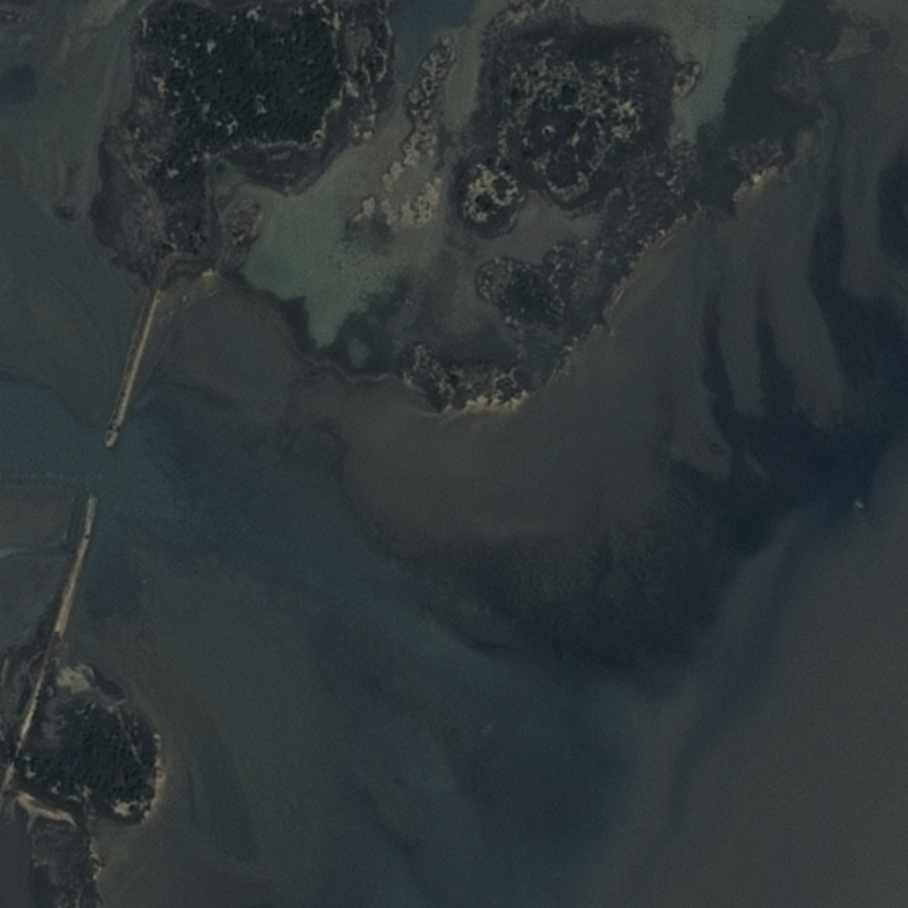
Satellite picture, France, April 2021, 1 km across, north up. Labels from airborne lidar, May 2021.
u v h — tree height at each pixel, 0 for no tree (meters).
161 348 0
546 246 0
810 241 0
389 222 0
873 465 0
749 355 0
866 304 0
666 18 0
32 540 0
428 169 0
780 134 0
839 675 0
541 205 0
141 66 0
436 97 0
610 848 0
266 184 0
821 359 0
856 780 0
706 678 0
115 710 0
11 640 0
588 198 0
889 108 0
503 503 0
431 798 0
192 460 0
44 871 0
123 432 0
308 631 0
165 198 0
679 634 0
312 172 0
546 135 0
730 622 0
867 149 0
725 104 0
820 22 0
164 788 0
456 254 0
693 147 0
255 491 0
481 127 0
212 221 0
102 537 0
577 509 0
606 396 0
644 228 0
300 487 0
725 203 0
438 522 0
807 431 0
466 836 0
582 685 0
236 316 0
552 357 0
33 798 0
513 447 0
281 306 0
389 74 0
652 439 0
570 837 0
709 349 0
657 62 0
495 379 0
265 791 0
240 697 0
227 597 0
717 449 0
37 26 0
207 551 0
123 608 0
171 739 0
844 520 0
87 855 0
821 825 0
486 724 0
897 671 0
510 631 0
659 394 0
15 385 0
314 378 0
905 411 0
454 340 0
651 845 0
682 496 0
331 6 0
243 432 0
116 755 7
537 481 0
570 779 0
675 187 0
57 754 0
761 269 0
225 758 0
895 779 0
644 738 0
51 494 0
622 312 0
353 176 0
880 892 0
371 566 0
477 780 0
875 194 0
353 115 0
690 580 0
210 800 0
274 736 0
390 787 0
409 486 0
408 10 0
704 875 0
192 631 0
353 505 0
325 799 0
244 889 0
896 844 0
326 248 0
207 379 0
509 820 0
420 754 0
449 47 0
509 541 0
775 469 0
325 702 0
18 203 0
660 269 0
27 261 0
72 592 0
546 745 0
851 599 0
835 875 0
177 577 0
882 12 0
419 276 0
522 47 0
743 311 0
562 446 0
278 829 0
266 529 0
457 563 0
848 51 0
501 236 0
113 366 0
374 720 0
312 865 0
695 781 0
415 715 0
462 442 0
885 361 0
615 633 0
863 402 0
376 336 0
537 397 0
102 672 0
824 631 0
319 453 0
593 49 0
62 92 0
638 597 0
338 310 0
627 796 0
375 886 0
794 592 0
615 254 0
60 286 0
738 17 0
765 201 0
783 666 0
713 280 0
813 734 0
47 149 0
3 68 0
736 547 0
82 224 0
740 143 0
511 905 0
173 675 0
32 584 0
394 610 0
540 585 0
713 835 0
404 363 0
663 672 0
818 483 0
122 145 0
